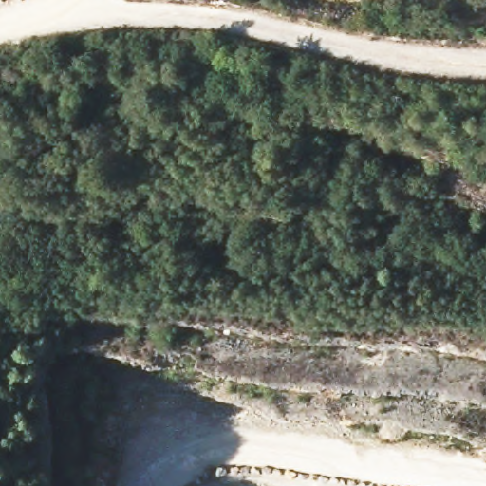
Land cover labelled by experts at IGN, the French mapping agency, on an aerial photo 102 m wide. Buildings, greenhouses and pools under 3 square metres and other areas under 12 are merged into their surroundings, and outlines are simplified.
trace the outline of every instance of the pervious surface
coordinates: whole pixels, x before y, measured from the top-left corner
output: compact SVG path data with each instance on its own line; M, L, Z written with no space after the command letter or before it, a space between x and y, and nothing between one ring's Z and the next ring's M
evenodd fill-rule
M448 46L446 40L410 42L402 40L399 36L380 38L372 32L355 36L334 28L321 27L313 21L292 23L283 13L271 15L266 11L251 9L247 2L256 0L0 0L0 44L19 44L21 40L25 40L30 36L78 32L87 28L215 28L213 32L216 38L224 44L224 55L234 55L239 47L258 49L268 53L270 65L279 68L289 68L292 59L306 57L327 63L328 70L332 70L338 76L349 70L359 70L363 74L383 78L385 85L395 84L399 72L418 72L454 78L486 78L486 38L480 38L475 47L456 49Z
M273 334L260 332L256 328L241 328L224 323L203 325L180 321L180 328L173 334L171 346L159 355L154 349L154 344L148 340L146 328L139 328L137 338L129 338L125 334L125 325L112 325L103 321L93 323L84 319L68 323L59 309L49 309L40 319L40 325L32 332L13 332L17 336L19 347L27 346L23 357L30 359L30 363L19 366L17 374L32 374L32 380L28 383L13 383L13 393L9 401L13 402L13 410L23 416L25 425L32 433L32 440L27 442L23 439L23 433L19 433L13 437L9 448L0 450L0 486L486 486L486 340L477 334L450 332L448 327L437 327L437 330L406 327L404 336L395 344L368 344L349 338L311 340L308 334L294 332L292 327L283 334Z
M486 0L420 0L425 9L437 9L442 13L442 21L452 23L456 28L482 28L486 25Z
M452 201L459 207L486 211L486 182L473 184L465 180L465 177L461 177L452 194Z

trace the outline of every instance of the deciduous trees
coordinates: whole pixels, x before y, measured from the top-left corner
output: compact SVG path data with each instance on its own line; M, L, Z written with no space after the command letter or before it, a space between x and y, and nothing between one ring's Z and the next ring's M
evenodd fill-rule
M27 442L32 440L32 433L25 425L23 416L13 410L13 402L9 401L13 393L13 383L28 383L32 380L32 374L17 374L19 366L30 363L30 359L23 357L27 346L19 347L17 336L13 332L32 332L40 325L40 319L49 309L59 309L68 323L84 319L93 323L103 321L112 325L125 325L125 334L129 338L137 338L139 328L146 328L148 340L154 344L154 349L159 355L171 346L173 334L180 328L180 321L203 325L224 323L241 328L256 328L260 332L273 334L283 334L292 327L294 332L308 334L311 340L349 338L368 344L395 344L404 336L406 327L437 330L437 327L448 327L450 332L477 334L486 340L486 211L459 207L452 201L452 194L461 177L465 177L465 180L473 184L486 182L486 78L454 78L418 72L399 72L395 84L385 85L383 78L363 74L359 70L349 70L338 76L332 70L328 70L327 63L306 57L292 59L289 68L279 68L270 65L268 53L258 49L239 47L234 55L224 55L224 44L216 38L213 32L215 28L87 28L78 32L30 36L25 40L30 44L30 49L23 53L21 59L21 72L28 78L23 87L23 95L13 95L6 91L0 93L0 450L9 448L13 437L19 433L23 433L23 439Z
M402 40L410 42L446 40L448 46L456 49L475 47L480 38L486 38L486 25L482 28L456 28L452 23L442 21L442 13L437 9L425 9L420 0L256 0L247 2L251 9L266 11L271 15L283 13L292 23L313 21L321 27L334 28L355 36L372 32L380 38L399 36Z

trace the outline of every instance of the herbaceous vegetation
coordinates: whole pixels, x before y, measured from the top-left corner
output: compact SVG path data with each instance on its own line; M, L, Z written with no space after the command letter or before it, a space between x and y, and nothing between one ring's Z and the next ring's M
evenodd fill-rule
M21 59L23 53L30 49L30 44L25 40L21 40L19 44L0 44L0 93L6 91L13 95L23 95L23 87L28 78L21 72Z

